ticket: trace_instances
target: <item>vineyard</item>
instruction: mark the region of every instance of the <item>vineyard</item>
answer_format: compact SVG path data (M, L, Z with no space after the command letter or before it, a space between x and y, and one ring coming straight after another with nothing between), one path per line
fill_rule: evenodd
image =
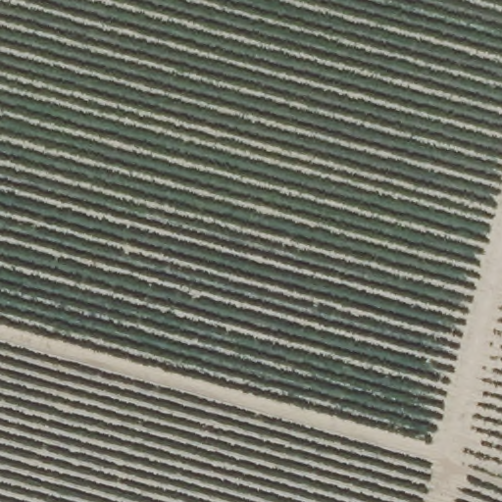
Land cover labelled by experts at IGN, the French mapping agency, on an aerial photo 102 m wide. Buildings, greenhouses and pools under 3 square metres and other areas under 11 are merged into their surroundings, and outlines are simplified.
M37 353L25 347L0 341L0 502L424 502L431 478L431 463L422 457L390 451L384 447L335 435L324 429L302 426L282 418L273 418L267 414L257 414L239 406L208 400L169 386L108 373L76 361L51 357L47 353Z
M480 477L469 477L467 486L461 488L459 498L455 502L502 502L502 363L498 369L494 369L492 378L482 378L484 384L500 386L498 392L482 392L482 396L496 398L496 404L478 402L477 412L471 420L473 431L498 439L496 443L482 441L484 447L490 447L488 453L480 453L471 447L463 449L465 455L475 457L471 467L475 471L480 471Z
M482 251L488 245L488 231L496 214L496 196L502 188L502 0L0 0L0 324L43 335L49 339L59 339L112 357L127 359L139 365L157 367L167 373L206 380L218 386L241 390L276 402L294 404L306 410L337 416L341 420L378 427L394 433L431 443L433 431L437 431L437 427L431 422L443 418L443 402L449 390L449 378L455 371L453 365L463 337L461 329L465 326L469 304L475 296L475 282L480 278L478 255L482 255Z

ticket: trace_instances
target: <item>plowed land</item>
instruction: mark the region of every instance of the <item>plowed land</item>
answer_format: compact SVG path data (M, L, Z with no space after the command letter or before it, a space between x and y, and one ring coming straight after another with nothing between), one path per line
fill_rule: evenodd
M139 365L127 359L112 357L59 339L49 339L43 335L0 324L0 341L25 347L37 353L47 353L51 357L76 361L108 373L169 386L208 400L239 406L257 414L267 414L273 418L282 418L302 426L324 429L335 435L384 447L394 433L378 427L341 420L337 416L306 410L294 404L276 402L241 390L218 386L206 380L167 373L157 367Z

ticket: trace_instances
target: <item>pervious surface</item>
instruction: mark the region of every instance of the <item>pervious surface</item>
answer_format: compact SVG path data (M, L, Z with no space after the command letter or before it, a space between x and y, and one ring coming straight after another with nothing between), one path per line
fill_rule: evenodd
M498 439L473 431L471 420L477 412L478 402L496 404L496 398L482 396L482 392L498 392L500 386L484 384L482 378L492 378L494 369L498 369L502 363L502 188L496 196L496 214L488 231L488 245L482 251L482 255L478 255L480 278L475 282L475 296L469 304L465 326L461 329L463 337L453 365L455 371L449 378L449 390L443 402L443 418L431 422L437 427L437 431L433 431L431 443L394 433L384 447L390 451L422 457L431 463L431 478L424 502L455 502L459 498L461 488L467 486L469 477L480 477L480 471L475 471L471 467L475 457L465 455L463 449L471 447L480 453L488 453L490 447L484 447L482 441L496 443Z

